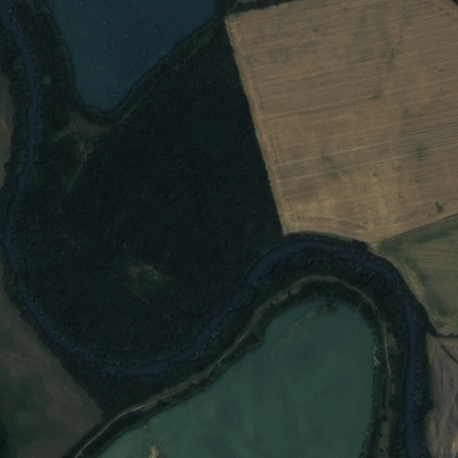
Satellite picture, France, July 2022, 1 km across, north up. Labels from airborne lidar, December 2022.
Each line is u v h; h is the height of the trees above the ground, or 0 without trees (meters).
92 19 0
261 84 0
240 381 0
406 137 0
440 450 0
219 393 0
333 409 0
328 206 0
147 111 16
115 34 0
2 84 0
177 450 0
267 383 0
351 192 0
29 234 18
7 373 0
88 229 15
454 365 0
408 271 0
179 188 19
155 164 18
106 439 7
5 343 0
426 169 0
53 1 0
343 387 0
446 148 0
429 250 0
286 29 0
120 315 11
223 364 7
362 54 0
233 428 0
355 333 0
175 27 0
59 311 18
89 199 19
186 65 24
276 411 0
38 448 0
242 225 16
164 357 31
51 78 14
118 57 0
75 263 16
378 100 0
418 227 0
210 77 15
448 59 0
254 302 11
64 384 0
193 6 0
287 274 33
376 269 0
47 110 16
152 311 16
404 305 0
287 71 0
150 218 14
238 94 13
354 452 0
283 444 0
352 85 0
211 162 20
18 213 26
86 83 0
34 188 20
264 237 14
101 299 14
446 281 0
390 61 0
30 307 0
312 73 0
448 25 0
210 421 0
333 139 0
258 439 0
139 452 0
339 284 8
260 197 14
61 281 14
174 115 20
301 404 0
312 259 14
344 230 0
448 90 0
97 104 0
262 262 0
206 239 19
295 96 0
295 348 0
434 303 0
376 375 9
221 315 0
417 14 0
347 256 0
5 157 0
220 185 19
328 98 0
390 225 0
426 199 0
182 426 0
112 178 16
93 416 0
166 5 0
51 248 13
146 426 0
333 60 0
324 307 0
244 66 0
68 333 32
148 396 6
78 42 0
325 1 0
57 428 0
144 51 0
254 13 0
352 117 0
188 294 9
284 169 0
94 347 14
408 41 0
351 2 0
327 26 0
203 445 0
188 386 0
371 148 0
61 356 13
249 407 0
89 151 0
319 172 0
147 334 13
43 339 13
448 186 0
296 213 0
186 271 9
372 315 7
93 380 10
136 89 17
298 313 0
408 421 0
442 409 0
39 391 0
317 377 0
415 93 0
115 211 16
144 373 0
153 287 7
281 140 0
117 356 32
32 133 0
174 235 15
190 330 16
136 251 7
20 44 0
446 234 0
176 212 17
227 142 18
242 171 16
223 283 13
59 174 15
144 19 0
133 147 14
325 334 0
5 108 0
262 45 0
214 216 20
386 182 0
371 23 0
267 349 0
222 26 11
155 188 16
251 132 15
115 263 13
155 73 18
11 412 0
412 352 0
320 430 0
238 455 0
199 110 20
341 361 0
